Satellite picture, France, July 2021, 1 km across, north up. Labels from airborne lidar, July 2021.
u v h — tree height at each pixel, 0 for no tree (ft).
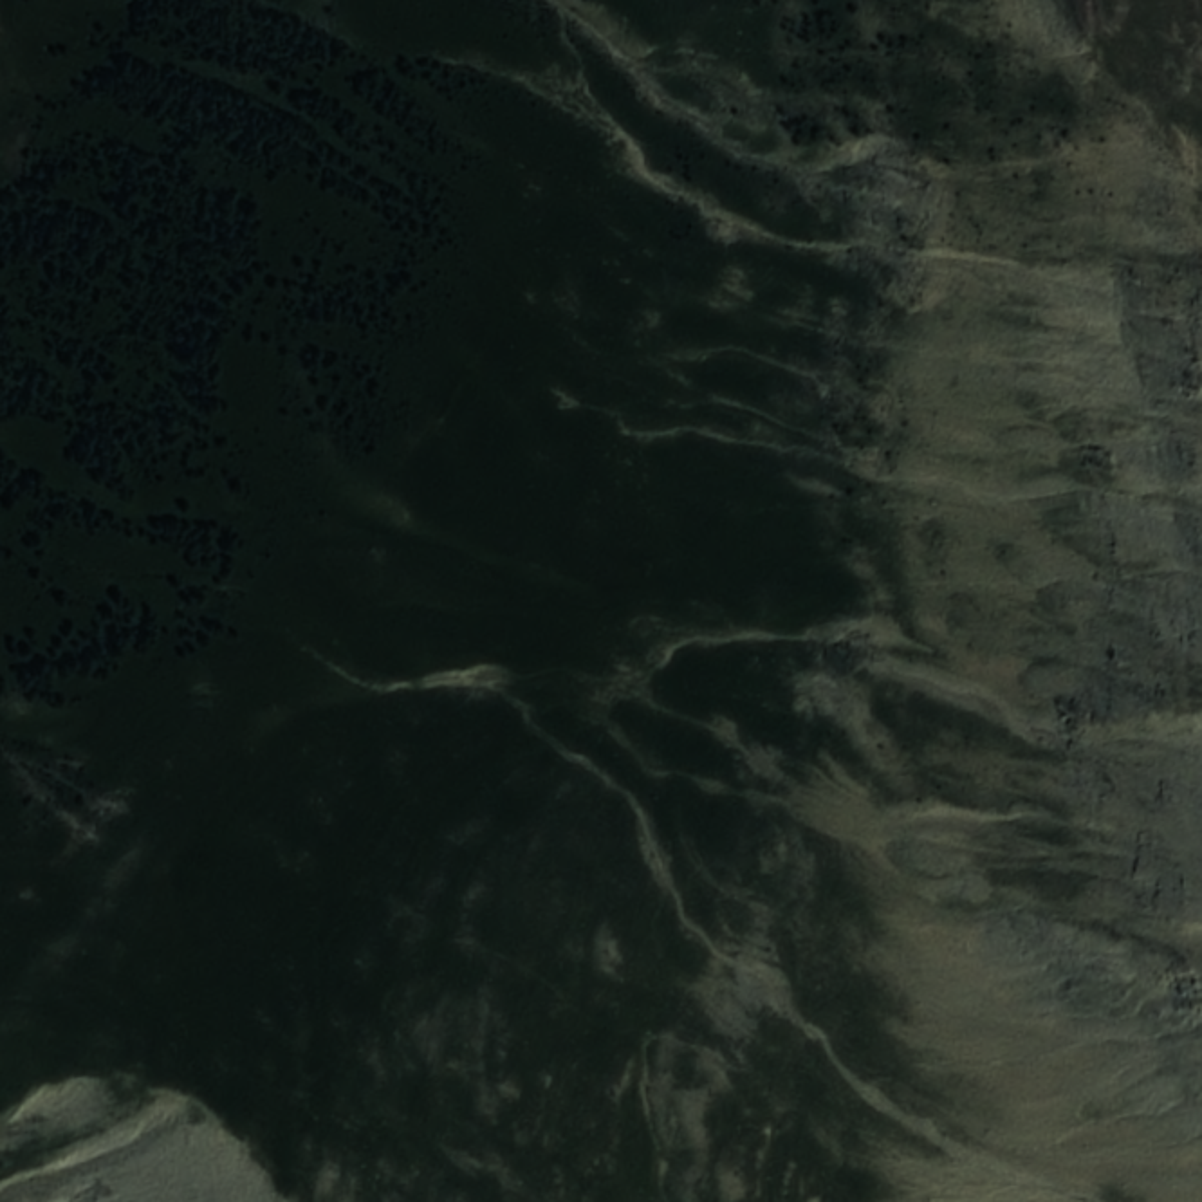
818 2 22
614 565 0
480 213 0
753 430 0
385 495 0
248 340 24
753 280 0
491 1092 0
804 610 0
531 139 0
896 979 0
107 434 41
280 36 24
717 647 0
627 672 0
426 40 0
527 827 0
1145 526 0
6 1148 0
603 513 0
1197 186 0
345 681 0
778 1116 0
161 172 29
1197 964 0
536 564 0
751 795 0
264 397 0
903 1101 0
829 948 0
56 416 66
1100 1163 0
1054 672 0
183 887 0
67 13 0
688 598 0
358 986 0
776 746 0
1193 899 0
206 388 62
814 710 0
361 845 0
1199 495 0
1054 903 0
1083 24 0
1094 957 0
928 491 0
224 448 26
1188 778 0
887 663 0
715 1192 0
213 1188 0
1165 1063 0
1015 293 0
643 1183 0
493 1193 0
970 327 0
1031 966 0
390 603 0
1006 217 0
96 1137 0
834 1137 0
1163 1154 0
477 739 0
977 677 0
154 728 0
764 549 0
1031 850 0
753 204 0
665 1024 0
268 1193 0
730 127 0
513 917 0
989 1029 0
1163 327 0
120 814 0
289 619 0
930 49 0
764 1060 0
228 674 0
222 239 44
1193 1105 0
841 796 0
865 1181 0
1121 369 0
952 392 0
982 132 0
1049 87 0
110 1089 0
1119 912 0
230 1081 0
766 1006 0
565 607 0
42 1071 0
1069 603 0
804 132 24
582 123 0
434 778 0
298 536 0
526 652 0
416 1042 0
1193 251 0
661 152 0
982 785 0
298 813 0
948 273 0
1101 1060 0
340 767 0
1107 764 0
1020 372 0
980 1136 0
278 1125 0
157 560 0
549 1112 0
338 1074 0
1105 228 0
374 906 0
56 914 0
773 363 0
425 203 59
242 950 0
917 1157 0
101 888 0
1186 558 0
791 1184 0
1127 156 0
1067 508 0
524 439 0
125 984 0
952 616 0
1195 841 0
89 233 61
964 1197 0
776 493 0
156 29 52
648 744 0
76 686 0
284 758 0
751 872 0
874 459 0
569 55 0
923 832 0
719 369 0
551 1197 0
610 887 0
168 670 0
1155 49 0
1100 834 0
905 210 0
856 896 0
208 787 0
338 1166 0
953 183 0
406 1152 0
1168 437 0
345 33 0
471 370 0
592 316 0
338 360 36
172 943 0
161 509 0
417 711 0
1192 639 0
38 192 48
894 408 0
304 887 0
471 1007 0
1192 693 0
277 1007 0
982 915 0
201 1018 0
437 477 0
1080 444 0
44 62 0
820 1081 0
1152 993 0
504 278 0
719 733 0
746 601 0
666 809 0
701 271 0
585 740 0
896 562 0
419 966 0
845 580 0
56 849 0
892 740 0
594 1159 0
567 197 0
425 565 0
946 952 0
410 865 0
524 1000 0
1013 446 0
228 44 40
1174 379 0
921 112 0
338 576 0
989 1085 0
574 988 0
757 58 0
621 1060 0
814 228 0
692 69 0
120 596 69
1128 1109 0
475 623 0
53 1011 0
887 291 0
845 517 0
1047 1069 0
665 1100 0
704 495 0
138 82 80
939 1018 0
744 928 0
